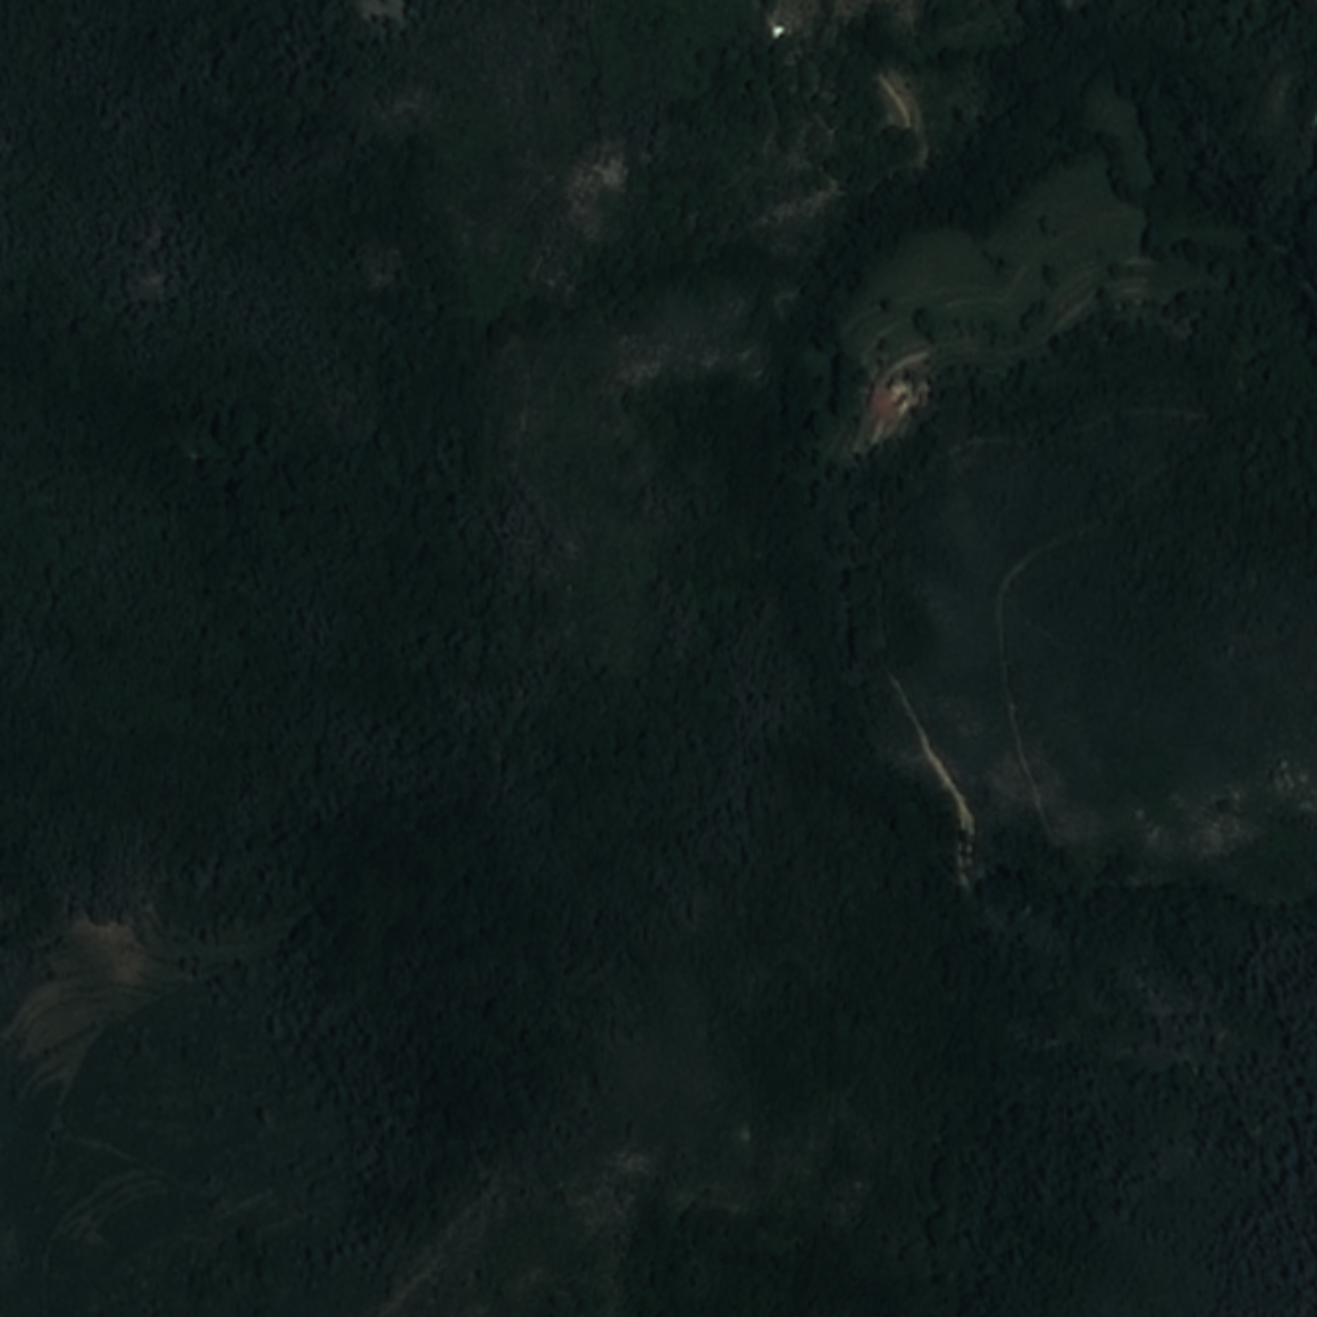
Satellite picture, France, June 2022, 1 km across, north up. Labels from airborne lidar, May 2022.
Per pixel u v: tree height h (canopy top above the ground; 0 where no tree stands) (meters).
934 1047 11
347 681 25
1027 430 6
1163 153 15
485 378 14
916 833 24
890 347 11
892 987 8
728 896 14
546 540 9
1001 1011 8
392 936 22
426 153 9
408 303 15
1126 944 12
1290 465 14
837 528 8
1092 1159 6
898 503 7
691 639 23
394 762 21
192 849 19
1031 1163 10
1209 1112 15
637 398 14
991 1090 11
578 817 26
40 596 18
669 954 6
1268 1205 11
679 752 19
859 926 11
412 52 8
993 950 14
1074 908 13
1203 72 17
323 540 22
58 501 22
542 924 22
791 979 10
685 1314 9
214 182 16
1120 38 12
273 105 9
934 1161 7
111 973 0
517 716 14
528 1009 21
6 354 22
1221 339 9
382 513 12
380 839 25
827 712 14
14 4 23
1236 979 6
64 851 15
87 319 16
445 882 24
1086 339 13
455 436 9
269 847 15
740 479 18
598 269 13
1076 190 0
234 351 19
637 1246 13
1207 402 7
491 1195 11
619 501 6
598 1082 9
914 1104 9
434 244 12
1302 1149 7
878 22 11
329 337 19
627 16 6
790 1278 15
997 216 15
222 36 15
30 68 23
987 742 0
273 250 18
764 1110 7
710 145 12
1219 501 10
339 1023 12
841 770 17
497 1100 20
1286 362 17
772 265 16
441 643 8
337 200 16
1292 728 0
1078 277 0
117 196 18
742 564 14
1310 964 10
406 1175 15
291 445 19
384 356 9
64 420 30
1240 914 7
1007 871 15
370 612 19
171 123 17
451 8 7
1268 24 6
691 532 6
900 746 0
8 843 15
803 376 23
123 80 19
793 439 24
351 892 25
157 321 15
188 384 21
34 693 16
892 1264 21
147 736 20
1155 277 0
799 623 19
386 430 9
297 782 17
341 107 9
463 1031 21
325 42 9
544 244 10
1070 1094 6
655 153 17
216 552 30
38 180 20
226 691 25
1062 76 12
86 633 21
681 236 17
